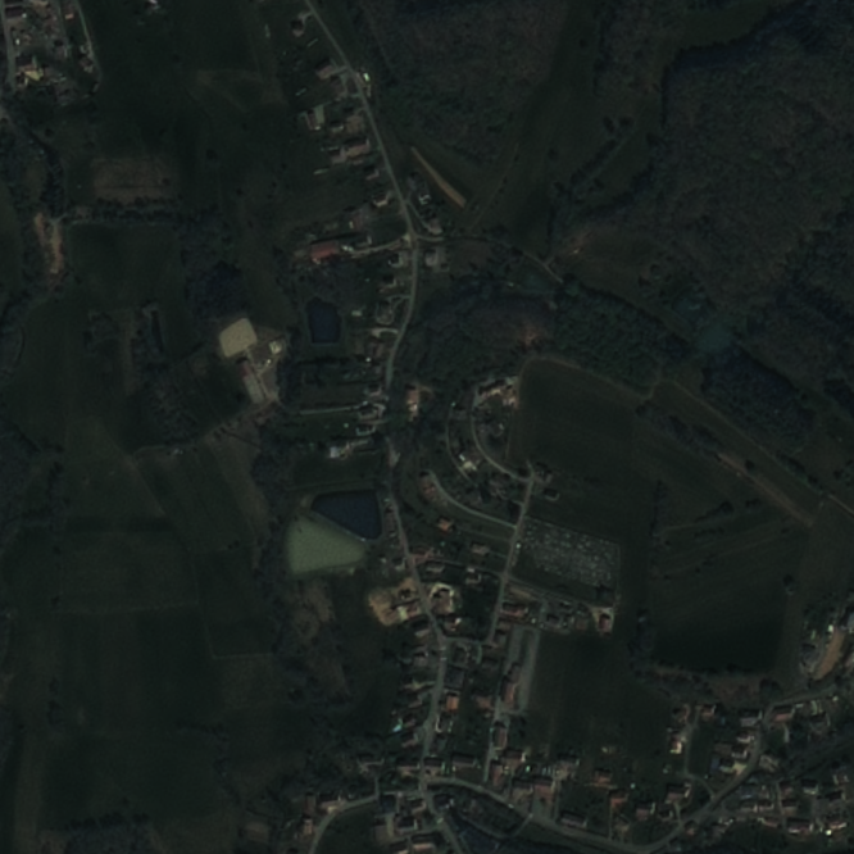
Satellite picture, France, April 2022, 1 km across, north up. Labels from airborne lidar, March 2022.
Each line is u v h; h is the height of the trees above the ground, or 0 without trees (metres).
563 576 0
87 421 0
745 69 22
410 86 18
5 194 0
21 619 0
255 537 0
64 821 0
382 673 0
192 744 0
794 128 21
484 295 7
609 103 0
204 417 0
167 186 11
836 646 0
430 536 0
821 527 0
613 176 0
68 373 0
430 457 0
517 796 0
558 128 0
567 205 21
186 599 0
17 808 0
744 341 14
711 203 18
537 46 24
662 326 19
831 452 0
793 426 29
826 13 22
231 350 0
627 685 0
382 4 17
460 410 0
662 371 17
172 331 0
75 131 0
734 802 0
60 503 18
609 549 0
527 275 0
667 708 0
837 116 20
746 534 0
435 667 0
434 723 0
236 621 0
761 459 0
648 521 0
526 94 24
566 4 20
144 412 0
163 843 0
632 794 0
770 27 21
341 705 16
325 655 0
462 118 23
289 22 0
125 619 0
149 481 0
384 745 10
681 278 0
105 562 0
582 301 21
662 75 0
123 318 0
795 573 0
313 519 0
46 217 0
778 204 25
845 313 20
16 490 26
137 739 0
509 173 0
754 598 0
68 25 0
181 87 0
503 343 20
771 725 0
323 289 23
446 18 21
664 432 15
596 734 0
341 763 0
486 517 0
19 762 0
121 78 0
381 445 14
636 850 0
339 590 0
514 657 0
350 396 0
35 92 9
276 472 21
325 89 0
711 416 0
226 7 0
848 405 25
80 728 0
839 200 23
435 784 0
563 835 0
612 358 18
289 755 0
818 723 0
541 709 0
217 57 0
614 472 0
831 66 23
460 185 0
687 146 24
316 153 0
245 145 0
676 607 0
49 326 0
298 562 0
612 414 0
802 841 0
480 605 0
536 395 0
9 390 0
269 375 0
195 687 0
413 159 0
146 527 0
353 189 0
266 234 0
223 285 30
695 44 0
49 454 17
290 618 15
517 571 0
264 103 0
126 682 0
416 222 0
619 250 0
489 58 22
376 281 0
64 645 0
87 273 0
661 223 20
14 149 18
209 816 0
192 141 0
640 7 21
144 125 0
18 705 0
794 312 24
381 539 0
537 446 0
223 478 0
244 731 0
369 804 0
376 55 18
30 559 0
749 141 26
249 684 0
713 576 0
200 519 0
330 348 0
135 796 0
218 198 0
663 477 0
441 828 0
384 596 0
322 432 0
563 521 0
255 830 0
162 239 0
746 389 25
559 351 16
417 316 0
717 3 35
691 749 0
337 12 0
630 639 0
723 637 0
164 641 0
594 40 0
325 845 0
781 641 0
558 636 0
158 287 0
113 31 0
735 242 13
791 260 14
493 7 22
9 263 0
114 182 0
